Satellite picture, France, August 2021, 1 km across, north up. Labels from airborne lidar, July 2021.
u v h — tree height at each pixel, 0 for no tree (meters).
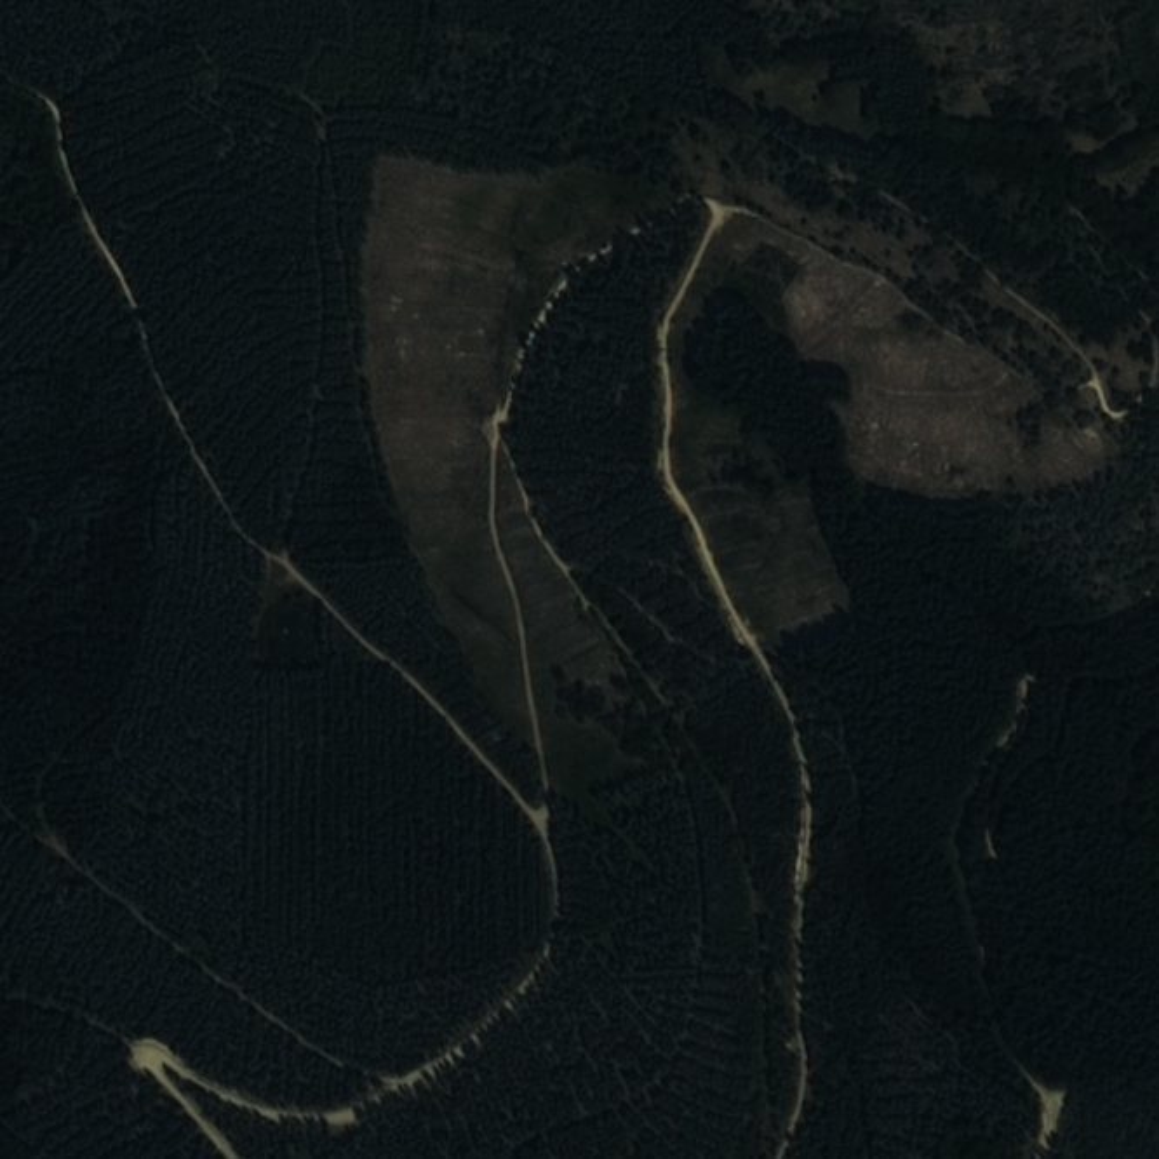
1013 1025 28
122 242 13
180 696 20
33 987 18
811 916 11
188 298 20
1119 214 23
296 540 16
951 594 36
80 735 10
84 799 11
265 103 14
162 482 18
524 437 20
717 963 17
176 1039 13
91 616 14
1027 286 6
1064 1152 13
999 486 0
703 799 15
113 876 13
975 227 13
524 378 17
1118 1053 32
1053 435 0
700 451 0
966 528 33
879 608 36
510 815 13
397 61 10
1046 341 0
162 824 17
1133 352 11
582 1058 11
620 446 20
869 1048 18
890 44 26
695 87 25
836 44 25
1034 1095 6
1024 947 29
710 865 18
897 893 22
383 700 16
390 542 14
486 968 18
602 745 0
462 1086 16
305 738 8
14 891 17
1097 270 10
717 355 33
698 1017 16
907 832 27
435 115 19
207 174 11
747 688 20
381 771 13
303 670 16
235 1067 18
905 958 16
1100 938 23
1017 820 29
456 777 10
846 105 0
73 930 19
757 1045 11
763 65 27
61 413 11
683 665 18
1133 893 37
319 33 16
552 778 0
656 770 16
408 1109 17
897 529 26
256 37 20
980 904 25
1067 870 29
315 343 15
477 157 17
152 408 20
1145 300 11
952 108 0
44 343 18
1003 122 15
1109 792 26
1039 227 11
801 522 0
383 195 0
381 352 0
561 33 20
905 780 27
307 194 14
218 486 17
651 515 20
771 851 15
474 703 17
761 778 17
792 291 0
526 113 12
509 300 0
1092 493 17
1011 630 20
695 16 27
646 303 19
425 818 10
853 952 19
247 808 15
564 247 0
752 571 0
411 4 11
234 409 12
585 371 18
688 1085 17
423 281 0
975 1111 21
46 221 8
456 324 0
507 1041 20
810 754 25
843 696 27
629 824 15
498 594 0
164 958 19
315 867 13
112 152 11
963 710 26
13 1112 17
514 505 0
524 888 14
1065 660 22
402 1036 13
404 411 0
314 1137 16
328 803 14
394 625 20
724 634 19
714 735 13
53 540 25
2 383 21
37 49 17
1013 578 31
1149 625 26
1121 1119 9
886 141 16
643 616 16
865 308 0
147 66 13
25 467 14
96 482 28
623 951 15
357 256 17
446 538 0
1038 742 25
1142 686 29
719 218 0
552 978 14
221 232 18
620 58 19
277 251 14
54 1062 16
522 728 0
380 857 13
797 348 24
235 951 15
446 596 0
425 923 12
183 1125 18
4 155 7
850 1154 20
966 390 0
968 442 0
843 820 18
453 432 0
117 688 13
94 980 18
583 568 19
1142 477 9
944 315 10
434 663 16
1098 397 0
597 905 16
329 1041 19
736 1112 15
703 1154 14
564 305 17
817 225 0
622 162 14
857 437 0
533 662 0
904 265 0
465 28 13
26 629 12
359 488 15
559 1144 18
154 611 18
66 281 14
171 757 18
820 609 0
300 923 17
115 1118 13
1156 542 7
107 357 19
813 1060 17
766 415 34
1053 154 20
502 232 0
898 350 0
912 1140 21
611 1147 18
